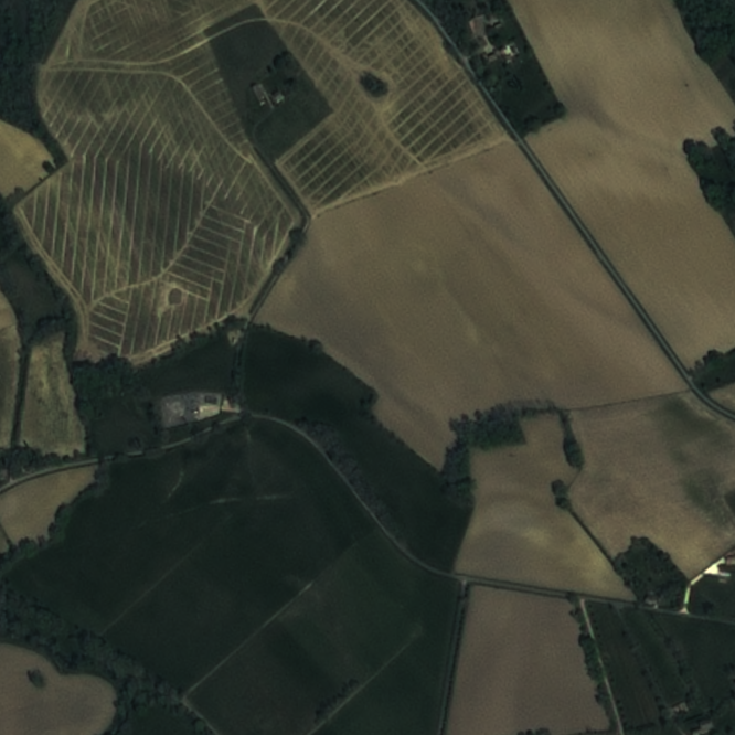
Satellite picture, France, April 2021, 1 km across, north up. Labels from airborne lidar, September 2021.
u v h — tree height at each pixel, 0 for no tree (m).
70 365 10
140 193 0
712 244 0
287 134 0
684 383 0
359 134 0
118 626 0
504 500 0
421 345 0
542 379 0
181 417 0
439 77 0
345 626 0
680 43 0
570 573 0
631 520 0
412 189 0
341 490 0
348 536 0
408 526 0
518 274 0
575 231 0
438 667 0
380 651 0
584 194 0
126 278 0
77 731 0
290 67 15
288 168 0
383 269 0
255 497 0
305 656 0
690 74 0
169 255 0
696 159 26
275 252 0
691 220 0
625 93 0
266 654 0
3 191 0
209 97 0
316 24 0
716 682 0
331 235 0
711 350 0
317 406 0
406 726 0
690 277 0
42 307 0
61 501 0
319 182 0
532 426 0
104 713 0
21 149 0
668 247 0
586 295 0
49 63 0
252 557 0
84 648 20
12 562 7
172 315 0
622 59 0
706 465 0
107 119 0
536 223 0
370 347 0
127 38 0
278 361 0
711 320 0
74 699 0
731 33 19
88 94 0
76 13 0
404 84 0
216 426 11
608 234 0
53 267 0
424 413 0
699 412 0
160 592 0
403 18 0
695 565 0
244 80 0
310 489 0
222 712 0
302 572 0
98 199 0
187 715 6
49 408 0
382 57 0
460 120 0
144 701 17
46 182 0
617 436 0
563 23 0
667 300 0
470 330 0
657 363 0
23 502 0
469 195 0
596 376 0
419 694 0
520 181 0
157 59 0
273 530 0
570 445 15
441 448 0
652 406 0
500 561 0
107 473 6
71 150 0
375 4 0
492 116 0
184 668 0
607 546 0
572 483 0
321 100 0
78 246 0
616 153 0
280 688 0
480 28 0
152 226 0
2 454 7
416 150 0
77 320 11
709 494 0
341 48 0
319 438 17
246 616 0
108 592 0
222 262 0
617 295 0
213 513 0
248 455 0
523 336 0
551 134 0
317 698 0
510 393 0
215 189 0
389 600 0
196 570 0
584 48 0
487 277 0
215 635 0
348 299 0
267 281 0
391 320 0
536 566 0
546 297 0
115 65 0
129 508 0
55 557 0
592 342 0
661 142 0
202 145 0
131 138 0
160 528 0
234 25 0
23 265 0
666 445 0
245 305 0
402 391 0
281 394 0
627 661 0
